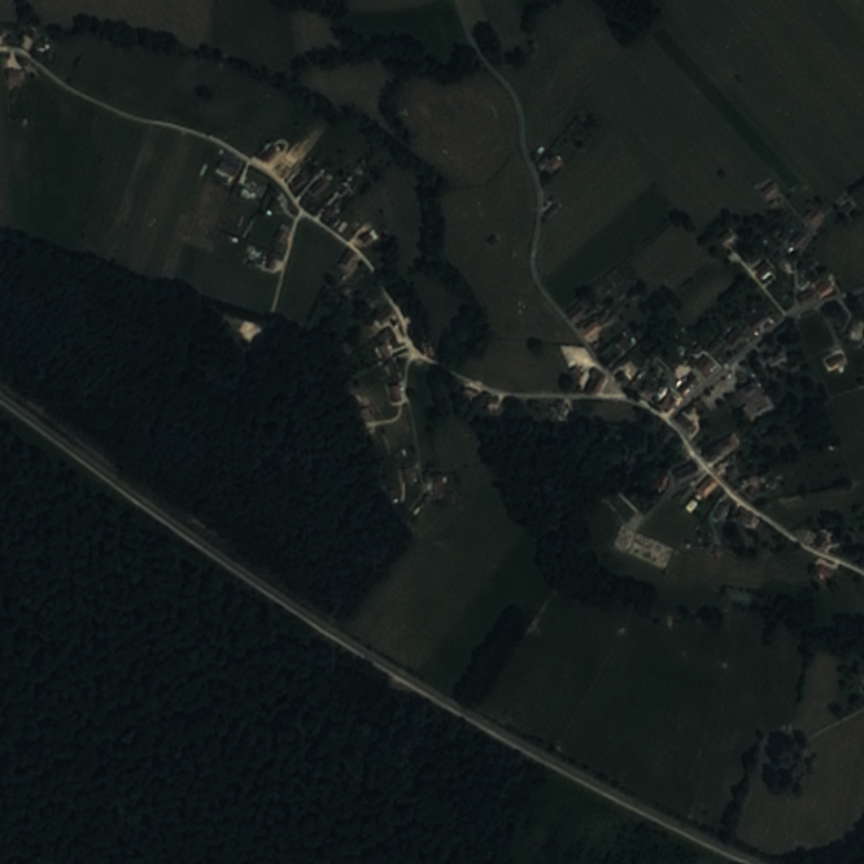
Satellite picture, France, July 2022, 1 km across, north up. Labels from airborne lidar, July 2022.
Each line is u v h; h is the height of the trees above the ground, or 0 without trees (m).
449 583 0
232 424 27
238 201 0
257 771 28
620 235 0
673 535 0
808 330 0
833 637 21
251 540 30
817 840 0
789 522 0
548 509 28
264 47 0
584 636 0
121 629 23
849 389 0
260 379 31
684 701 0
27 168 0
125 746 27
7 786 27
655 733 0
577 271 0
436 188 21
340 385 21
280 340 31
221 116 0
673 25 0
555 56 0
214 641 27
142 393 21
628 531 0
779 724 0
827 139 0
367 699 15
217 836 27
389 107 15
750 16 0
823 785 0
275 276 0
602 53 0
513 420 25
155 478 28
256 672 30
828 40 0
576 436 25
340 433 23
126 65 0
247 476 29
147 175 0
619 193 0
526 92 0
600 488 24
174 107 0
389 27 0
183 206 0
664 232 0
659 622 5
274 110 0
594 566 24
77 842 24
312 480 25
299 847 30
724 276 0
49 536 26
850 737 0
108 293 19
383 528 26
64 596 25
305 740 9
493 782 19
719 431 0
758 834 0
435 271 20
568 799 0
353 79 0
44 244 18
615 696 0
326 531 26
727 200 0
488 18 0
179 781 27
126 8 0
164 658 30
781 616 23
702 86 0
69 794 26
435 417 21
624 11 20
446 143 0
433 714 26
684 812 0
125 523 22
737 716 0
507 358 0
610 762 0
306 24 0
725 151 0
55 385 28
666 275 0
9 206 0
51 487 27
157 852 28
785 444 0
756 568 0
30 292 23
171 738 27
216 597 25
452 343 24
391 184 0
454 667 0
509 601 0
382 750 26
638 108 0
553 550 21
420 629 0
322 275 0
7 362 27
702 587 0
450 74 18
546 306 0
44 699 26
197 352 17
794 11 0
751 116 0
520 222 0
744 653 0
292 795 29
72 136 0
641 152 0
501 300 0
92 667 24
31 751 29
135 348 26
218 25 0
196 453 27
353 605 26
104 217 0
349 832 27
